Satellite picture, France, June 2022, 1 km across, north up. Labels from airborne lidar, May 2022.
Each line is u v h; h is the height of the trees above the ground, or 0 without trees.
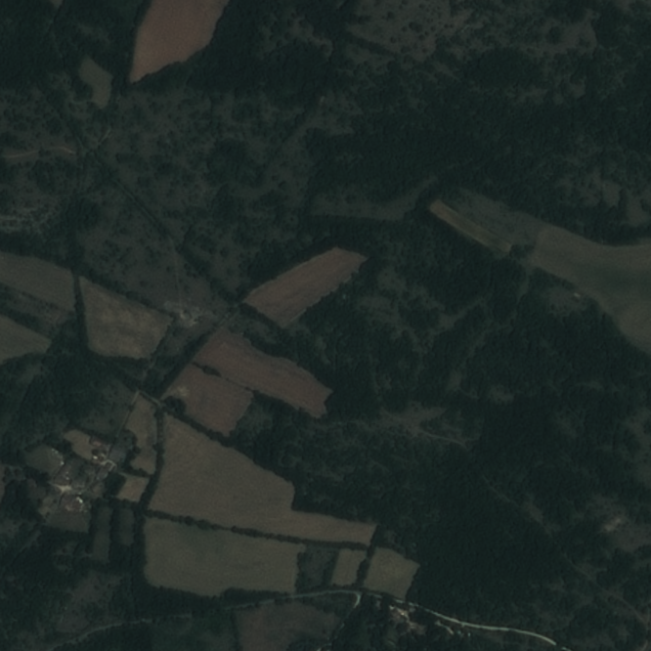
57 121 7
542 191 6
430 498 9
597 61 9
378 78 7
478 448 7
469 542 6
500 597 8
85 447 0
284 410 12
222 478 0
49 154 7
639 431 0
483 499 8
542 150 6
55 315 0
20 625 8
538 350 7
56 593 8
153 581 0
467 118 9
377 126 9
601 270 0
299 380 0
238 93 10
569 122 13
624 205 9
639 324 0
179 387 0
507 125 10
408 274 7
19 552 8
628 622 7
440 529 8
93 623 6
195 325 0
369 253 11
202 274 10
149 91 10
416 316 8
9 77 10
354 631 12
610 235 7
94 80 0
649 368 9
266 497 0
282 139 7
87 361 6
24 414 7
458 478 5
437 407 7
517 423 8
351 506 6
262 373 0
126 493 0
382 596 10
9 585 11
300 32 0
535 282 8
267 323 8
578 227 7
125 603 8
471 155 9
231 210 8
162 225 6
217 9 0
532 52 7
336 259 0
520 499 8
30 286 0
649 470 0
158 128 0
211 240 6
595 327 7
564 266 0
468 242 8
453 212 0
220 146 9
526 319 7
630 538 0
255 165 10
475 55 7
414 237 8
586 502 8
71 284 0
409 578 0
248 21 16
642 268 0
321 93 10
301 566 8
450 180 9
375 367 6
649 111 8
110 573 8
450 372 7
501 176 9
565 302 0
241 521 0
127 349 0
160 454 10
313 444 7
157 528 0
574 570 7
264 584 0
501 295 6
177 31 0
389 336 7
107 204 9
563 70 7
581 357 10
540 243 0
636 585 9
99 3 15
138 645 8
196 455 0
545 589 6
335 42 12
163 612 14
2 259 0
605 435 8
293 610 0
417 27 10
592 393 8
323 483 7
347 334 8
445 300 8
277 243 6
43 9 8
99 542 0
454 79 6
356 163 10
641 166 7
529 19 6
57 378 7
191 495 0
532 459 6
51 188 9
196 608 14
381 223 7
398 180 8
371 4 0
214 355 0
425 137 8
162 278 0
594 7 10
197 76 9
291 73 18
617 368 13
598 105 8
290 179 0
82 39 9
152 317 0
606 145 7
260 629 0
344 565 0
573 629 8
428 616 9
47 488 9
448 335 9
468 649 11
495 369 7
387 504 9
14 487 10
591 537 6
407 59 6
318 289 0
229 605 12
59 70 11
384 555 0
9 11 11
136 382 9
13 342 0
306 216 8
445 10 0
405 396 7
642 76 8
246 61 10
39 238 7
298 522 0
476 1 8
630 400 9
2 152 6
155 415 8
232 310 10
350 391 14
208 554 0
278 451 9
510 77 12
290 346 9
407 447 8
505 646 6
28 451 8
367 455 5
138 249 0
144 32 0
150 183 7
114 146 0
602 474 8
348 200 7
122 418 0
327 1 13
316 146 8
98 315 0
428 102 6
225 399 0
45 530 12
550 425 9
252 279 6
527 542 10
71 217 9
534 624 7
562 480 6
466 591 6
